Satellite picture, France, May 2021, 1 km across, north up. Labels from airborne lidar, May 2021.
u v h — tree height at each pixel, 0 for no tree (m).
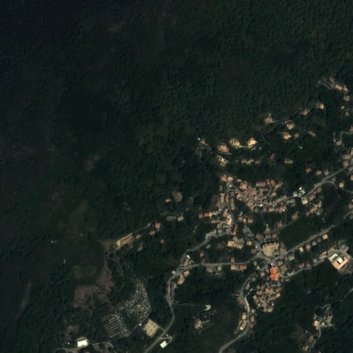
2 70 15
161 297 10
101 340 12
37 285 7
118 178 18
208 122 15
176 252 19
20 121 7
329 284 0
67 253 0
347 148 8
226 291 18
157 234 10
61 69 8
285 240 0
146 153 10
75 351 0
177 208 13
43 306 17
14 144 6
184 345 10
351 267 17
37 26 22
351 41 10
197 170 17
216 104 9
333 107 19
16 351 18
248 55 11
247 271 13
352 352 19
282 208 0
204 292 14
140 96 7
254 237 6
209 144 14
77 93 10
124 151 13
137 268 15
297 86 14
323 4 14
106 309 19
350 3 20
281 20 14
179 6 8
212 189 15
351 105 7
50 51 7
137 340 8
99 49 8
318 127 7
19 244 13
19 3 10
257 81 13
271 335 6
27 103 6
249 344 19
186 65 10
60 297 10
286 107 17
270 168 16
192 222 14
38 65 9
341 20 6
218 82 13
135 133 18
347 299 7
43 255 0
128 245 10
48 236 14
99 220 10
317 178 17
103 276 0
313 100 25
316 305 0
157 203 17
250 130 7
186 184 16
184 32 8
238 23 19
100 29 7
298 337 0
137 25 8
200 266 7
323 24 7
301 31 12
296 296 13
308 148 14
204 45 17
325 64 10
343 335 17
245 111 16
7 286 6
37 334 23
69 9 15
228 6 14
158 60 8
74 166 8
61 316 11
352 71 8
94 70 7
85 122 17
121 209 10
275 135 19
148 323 0
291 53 8
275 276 0
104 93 11
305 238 0
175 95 25
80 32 13
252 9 19
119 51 7
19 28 15
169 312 9
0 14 18
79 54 9
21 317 6
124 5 11
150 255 18
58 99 8
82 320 15
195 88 18
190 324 15
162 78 8
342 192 14
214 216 15
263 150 8
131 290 17
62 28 13
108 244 0
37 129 5
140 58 7
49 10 16
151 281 17
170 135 13
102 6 7
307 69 7
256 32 14
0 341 12
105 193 7
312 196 0
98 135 13
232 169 11
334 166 8
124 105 14
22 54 15
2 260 9
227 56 13
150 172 15
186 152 21
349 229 26
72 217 0
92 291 0
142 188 12
